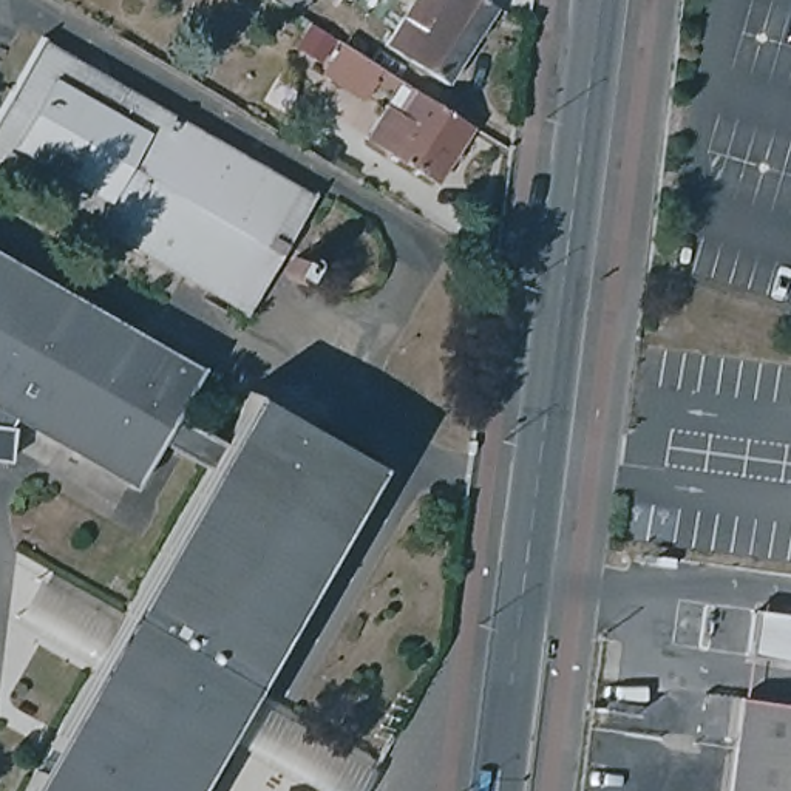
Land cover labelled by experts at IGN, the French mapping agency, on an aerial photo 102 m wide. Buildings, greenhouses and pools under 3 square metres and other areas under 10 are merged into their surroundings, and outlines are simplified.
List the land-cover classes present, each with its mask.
<instances>
[{"label":"impervious surface","instance_id":"1","mask_svg":"<svg viewBox=\"0 0 791 791\"><path fill-rule=\"evenodd\" d=\"M504 9L507 19L519 22H544V34L528 59L525 108L531 111V117H525V124H516V136L522 139V145L513 148L510 170L497 176H479L463 188L439 192L436 182H423V167L402 170L399 154H380L368 145V136L380 124L374 102H362L352 93H340L334 99L337 136H328L321 145H315V151L303 148L294 158L269 142L275 139L278 127L275 111H287L297 99L294 87H272L266 105L247 102L244 108H238L219 93L207 90L201 83L204 77L195 74V80L185 87L173 80L176 65L170 62H161L136 43L124 40L127 25H121L117 19L111 25H99L93 15H83L77 6H68L62 0H0V59L9 53V40L19 31H31L37 40L46 37L68 56L93 65L111 80L158 102L179 121L195 124L198 130L216 136L219 142L238 148L241 154L260 161L263 167L281 173L284 179L315 195L355 210L358 216L349 222L362 235L377 229L389 250V260L396 263L383 290L371 300L337 306L300 300L294 284L321 281V275L315 263L303 260L309 250V229L303 226L297 235L275 238L284 247V260L266 284L263 300L253 306V312H244L229 300L188 284L182 275H173L170 303L235 340V346L226 355H219L210 368V377L201 386L204 399H238L241 405L253 392L266 396L269 402L287 408L306 423L331 433L334 439L352 445L355 451L392 470L389 488L383 491L365 531L358 535L318 612L303 630L294 655L287 658L281 677L275 680L287 689V698L303 701L318 698V692L328 683H343L355 677V670L343 661L355 643L343 637V624L352 621L358 612H380L389 603V590L399 587V578L383 575L386 565L380 559L389 547V538L399 528V519L411 510L417 494L426 491L429 497L448 501L451 519L467 522V584L457 587V609L451 618V630H457V640L411 726L402 735H392L396 714H386L371 729V742L380 748L377 757H371L374 776L368 782V791H720L729 760L726 729L732 717V701L745 695L748 686H754V698L791 704V670H782L779 661L769 655L745 658V646L751 612L791 615V365H745L729 362L726 355H686V349L680 355H661L649 349V334L640 331L646 290L649 275L643 272V263L649 250V207L658 167L677 0H491ZM473 201L485 204L491 216V256L501 269H513L507 306L516 321L504 340L507 355L501 362L497 383V399L504 402V408L488 420L485 433L467 426V454H448L442 448H433L429 439L436 436L445 414L439 405L426 402L402 380L380 371V365L389 352H396L399 334L408 324L414 306L420 303L423 290L429 287L439 263H448V238L460 232L451 204ZM612 497H627L630 528H624V535L609 538L606 510ZM708 28L704 34H698L695 74L689 80L686 102L689 111L683 117L680 133L686 142V173L677 176L674 185L677 201H683L692 213V226L686 235L689 247L680 250V263L692 272L695 287H711L745 300H757L769 290L791 309V0H711V6L704 9ZM71 226L59 238L65 244L83 241L99 247L105 263V281H117L121 275L127 278L136 275V269H148V278H161L170 272L161 260H148V253L139 247L145 235L133 222H127L111 204L105 210H83L80 201L68 204ZM176 460L173 451H164L148 488L124 494L117 488H99L87 479H80V485H62L49 479V473H43L34 457L19 460L15 467H0V717L9 723V729L25 735L22 745L31 751L37 766L46 760V751L53 748L59 732L46 729V723L28 717L12 704V689L25 677V667L31 664L34 652L46 649L80 667L90 670L102 664L114 667L99 649V643L46 615L34 599L53 575L46 565L19 553V528L6 519V513L9 494L22 482H43L46 488H56L59 497L83 510L90 522L114 519L130 528V535H139L154 513V501L164 491ZM331 776L300 763L297 757L284 754L278 745L266 738H256L250 745V757L244 751L232 754L213 791H324Z\"/></svg>","mask_w":791,"mask_h":791},{"label":"building","instance_id":"2","mask_svg":"<svg viewBox=\"0 0 791 791\"><path fill-rule=\"evenodd\" d=\"M343 6L355 9L362 19H380L386 25L380 43L389 53L408 62L417 74L433 77L445 87L473 80L479 56L488 53V34L501 28V22L507 19L504 9L491 0H343ZM303 43L315 56V65H324V71L309 74V83H318L334 99L340 93H352L362 102H374L380 124L368 136V145L380 154H399L402 170L423 167V182H436L457 167L460 154H467L473 142L482 136L467 117L411 90L396 74L362 56L358 49L318 31L315 25L309 28V37ZM0 170L22 173L28 179V192L49 188L68 204L80 201L83 210H105L111 204L127 222H133L145 235L139 247L148 253V260H161L170 272L173 275H182L188 284L229 300L244 312H253V306L263 300L266 284L284 260V247L275 238L297 235L303 226L309 210L315 207V195L284 179L281 173L263 167L260 161L241 154L238 148L219 142L216 136L198 130L195 124L179 121L158 102L111 80L93 65L68 56L46 37L37 40L12 87H6L0 74ZM210 377V368L161 343L142 328L124 321L121 315L90 303L71 287L46 278L28 263L15 260L12 253L0 250V467H15L19 460L34 457L43 473H49V479L62 485H80V479H87L99 488H117L124 494L148 488L164 451H173L176 460L182 454H192L198 460L207 463V473L170 531L164 550L145 572L139 593L127 606V612L102 599L53 575L34 599L46 615L99 643V649L114 667L102 664L90 670V680L74 698L59 732L53 748L46 751V760L37 766L28 791H213L232 754L244 751L250 757V745L256 738H266L278 745L284 754L297 757L300 763L331 776L324 791H368V782L374 776L371 757L355 751L337 757L328 745L306 742L303 723L294 720V708L303 701L287 698V689L275 680L281 677L287 658L294 655L303 630L318 612L358 535L365 531L383 491L389 488L392 470L355 451L352 445L334 439L331 433L306 423L287 408L269 402L266 396L253 392L241 405L238 423L226 420L219 433H207L185 426V414H179L185 405H198L204 399L201 386ZM769 655L779 661L782 670H791V615L751 612L745 646V658ZM729 760L720 791H791V704L754 698V686H748L745 695L732 701V717L726 729Z\"/></svg>","mask_w":791,"mask_h":791},{"label":"herbaceous vegetation","instance_id":"3","mask_svg":"<svg viewBox=\"0 0 791 791\"><path fill-rule=\"evenodd\" d=\"M68 6H77L83 15H93L99 25H111L117 19L121 25H127L124 40L136 43L161 62H170L173 56L164 46L176 34V25L188 22L192 28H201L207 34L213 53H222V59L204 77L201 83L207 90L219 93L238 108H244L247 102L266 105L272 87H294L297 71L309 74L324 71V65H315V56L303 43L309 37V28L315 25L318 31L358 49L362 56L396 74L411 90L467 117L482 136L473 142L467 154H460L457 167L436 182L439 192L463 188L479 176H497L510 170L513 148L522 145V139L516 136V124L507 121L513 105L510 87L494 83L488 71L491 59L510 46L513 34L519 31V22L507 19L501 22V28L488 34V53L479 56L473 80L445 87L433 77L417 74L408 62L389 53L380 43L386 25L380 19H362L355 9L343 6V0H62ZM247 25L266 28L275 37V43L260 46L253 56L238 53L235 40ZM711 6V0H677L658 167L649 207V250L643 263V272L649 275L646 290L649 297H674V309L680 312L661 318L658 331L649 334V349L661 355H680L686 349V355H726L729 362L745 365H791V309L769 290L757 300H745L711 287H695L692 272L680 263H655L661 192L674 185L677 176L667 170V142L674 133H680L683 117L689 111L686 102H674L680 34H704L708 28L704 9ZM37 40L31 31H19L9 40V53L0 59V74L6 87H12ZM358 216L355 210L315 195V207L309 210L303 226L309 229V250L303 260L315 263L321 275H352L355 287L374 284V275L380 269L371 266V253L362 235L349 222ZM0 250L12 253L15 260L28 263L46 278L71 287L90 303L121 315L124 321L142 328L161 343L210 368L219 355H226L235 346V340L170 303H154L133 294L127 287V278L121 275L117 281H105L102 287L74 284L49 260L43 235L37 229L25 226L22 219L0 216ZM451 269L448 263H439L429 287L423 290L420 303L414 306L408 324L399 334L396 352H389L380 365V371L402 380L426 402L439 405L445 396V362L451 355L445 349V334L451 324V297L445 290V278ZM467 426L457 423V417L445 414L436 436L429 439L433 448H442L448 454H467ZM198 460L192 454H182L176 460L164 491L154 501V513L139 535H130V528L114 519L90 522L83 510L59 497L34 507L28 516L6 513V519L19 528V541H31L56 553L59 559L71 562L74 569L87 572L90 578L108 584L111 590L102 599L127 612V606L139 593L145 572L164 550L170 531L161 528V516L176 501L185 476ZM429 497L426 491L417 494L411 510L399 519V528L389 538V547L380 559L386 565L383 575L399 578V587L389 590V603L380 612H358L352 621L343 624V637L355 643L343 661L355 670V677L343 683H328L318 692V698L328 708L343 701L355 711V726L365 732L355 751L371 757H377L380 748L371 742V729L386 714V701L392 695H411V689L429 674L423 664L405 667V658L399 655V640L423 637L433 643L442 630V562L448 559V547L436 553L405 550L408 531H414L420 507ZM80 667L46 649L34 652L31 664L25 667V677L12 689V704L28 717L46 723L53 714V701L62 695V689ZM25 735L9 729V723L0 717V791H28L37 766L31 751L22 745Z\"/></svg>","mask_w":791,"mask_h":791},{"label":"deciduous trees","instance_id":"4","mask_svg":"<svg viewBox=\"0 0 791 791\"><path fill-rule=\"evenodd\" d=\"M544 34V22H519V31L513 34L510 46L491 59L488 71L494 83L510 87L513 105L507 121L516 124H525V117H531V111L525 108L528 59ZM173 56L170 62L176 65L173 80L185 87L195 80V74L204 77L222 59V53H213L207 34L201 28H192L188 22L176 25V34L164 46ZM275 43V37L266 28L247 25L235 40L238 53L253 56L260 46ZM698 34H680L674 102H686L689 80L695 74ZM297 99L287 111H275L278 127L275 139L269 142L294 158L303 148L315 151V145H321L328 136H337L334 99L318 83H309V74L297 71L294 87ZM686 142L680 133H674L667 142V170L677 176L686 173ZM0 216L22 219L25 226L37 229L43 235L49 260L74 284L102 287L105 281V263L99 247L83 241L65 244L59 238L71 226L68 204L49 188L28 192V179L22 173L0 170ZM692 226V213L683 201H677L674 185L661 192L655 263H680V250L689 247L686 235ZM460 232L448 238V263L451 269L445 278V290L451 297V324L445 334V349L451 355L445 362V396L439 405L445 414L457 417V423L467 426L485 433L488 420L504 408V402L497 399V383L501 362L507 355L504 340L516 321L507 306L513 269H501L491 256V216L485 204L473 201L451 204ZM371 253V266L380 269L374 275V284L355 287L352 275H321V281L294 284L300 300L337 306L371 300L383 290L396 263L389 260V250L377 229L362 235ZM173 275L170 272L161 278H148V269H136V275L127 278V287L133 294L154 303H170ZM680 312L674 309V297H649L646 290L640 331L649 334L658 331L661 318ZM179 414H185V426L207 433H219L226 420L238 423L241 405L238 399H204L198 405H185ZM59 497L56 488H46L43 482H22L9 494L6 513L28 516L34 507ZM467 522L451 519L448 501L429 497L420 507L414 531H408L405 550L436 553L448 547V559L442 562V630L433 643L423 637L399 640V655L405 658V667L423 664L429 674L411 689V695H392L386 701V714H396L392 735H402L411 726L457 640V630H451V618L457 609V587L467 584ZM624 528H630L627 497H612L606 510L609 538L624 535ZM90 680V670L80 667L62 689V695L53 701V714L46 723V729L59 732L74 698ZM294 720L303 723L306 742L328 745L337 757L355 751L365 732L355 726V711L343 701L328 708L318 698L303 701L294 708Z\"/></svg>","mask_w":791,"mask_h":791},{"label":"brushwood","instance_id":"5","mask_svg":"<svg viewBox=\"0 0 791 791\"><path fill-rule=\"evenodd\" d=\"M207 473V463L198 460L185 476L176 501L161 516V528L170 531ZM19 553L46 565L53 575L102 599L111 590L108 584L90 578L87 572L74 569L71 562L59 559L56 553L31 541H19Z\"/></svg>","mask_w":791,"mask_h":791}]
</instances>
